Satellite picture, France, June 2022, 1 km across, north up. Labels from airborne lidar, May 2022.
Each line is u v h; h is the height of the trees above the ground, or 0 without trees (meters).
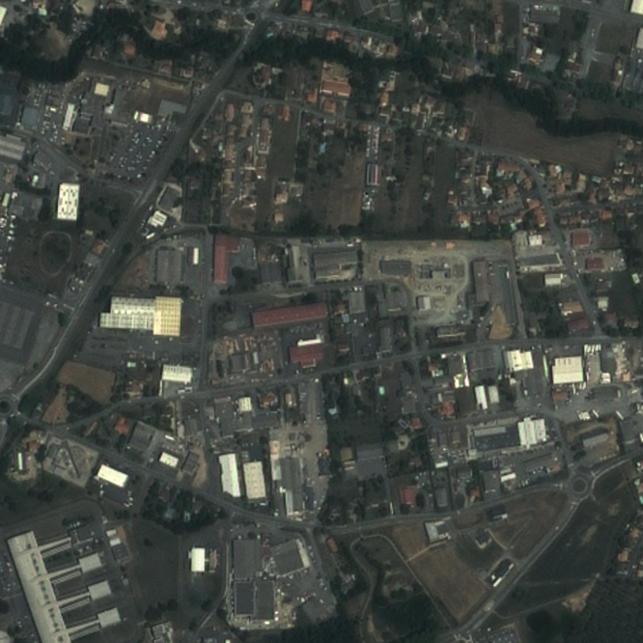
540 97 18
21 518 0
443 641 0
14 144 0
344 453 0
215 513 7
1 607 12
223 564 0
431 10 8
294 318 0
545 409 0
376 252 0
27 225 0
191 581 0
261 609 0
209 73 6
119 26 23
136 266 0
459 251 0
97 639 0
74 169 0
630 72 0
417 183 0
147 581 0
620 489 0
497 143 0
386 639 13
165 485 0
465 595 0
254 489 0
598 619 17
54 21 12
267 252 0
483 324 0
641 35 0
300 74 0
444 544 0
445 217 0
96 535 0
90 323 0
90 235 0
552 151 0
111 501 0
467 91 10
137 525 0
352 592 13
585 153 0
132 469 0
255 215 0
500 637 0
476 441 0
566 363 0
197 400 0
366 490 7
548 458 0
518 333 0
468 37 0
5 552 0
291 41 9
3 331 0
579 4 0
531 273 0
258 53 14
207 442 0
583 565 0
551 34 11
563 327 7
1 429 0
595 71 0
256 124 0
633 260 10
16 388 0
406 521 0
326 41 7
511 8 0
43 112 0
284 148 0
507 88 16
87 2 0
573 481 0
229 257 0
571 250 0
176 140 0
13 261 0
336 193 0
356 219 0
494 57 22
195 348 0
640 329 13
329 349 0
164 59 10
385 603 13
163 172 0
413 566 0
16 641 9
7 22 0
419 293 0
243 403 0
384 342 0
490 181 6
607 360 0
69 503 0
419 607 6
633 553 0
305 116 10
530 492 0
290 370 0
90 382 0
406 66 15
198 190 7
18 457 0
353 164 0
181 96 0
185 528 14
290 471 0
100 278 0
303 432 0
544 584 0
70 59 16
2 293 0
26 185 8
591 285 0
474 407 0
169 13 0
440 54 25
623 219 6
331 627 18
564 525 0
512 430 0
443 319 0
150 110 0
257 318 0
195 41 6
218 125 0
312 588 0
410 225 0
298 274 0
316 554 0
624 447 10
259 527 0
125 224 0
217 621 0
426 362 7
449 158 0
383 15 0
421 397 0
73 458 0
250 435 0
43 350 0
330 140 11
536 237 0
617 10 0
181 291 7
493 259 0
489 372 0
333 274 0
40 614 0
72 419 7
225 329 0
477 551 0
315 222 6
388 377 0
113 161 0
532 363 0
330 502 13
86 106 0
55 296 0
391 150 10
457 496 0
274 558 0
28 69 14
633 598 19
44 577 0
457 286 0
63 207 0
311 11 6
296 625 0
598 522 0
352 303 0
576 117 7
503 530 0
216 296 0
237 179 0
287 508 0
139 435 0
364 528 0
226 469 0
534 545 0
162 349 0
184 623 0
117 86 0
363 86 7
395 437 8
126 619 0
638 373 0
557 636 0
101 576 0
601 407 0
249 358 0
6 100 0
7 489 0
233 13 0
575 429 0
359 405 10
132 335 0
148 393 8
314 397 0
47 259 0
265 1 0
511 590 0
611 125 13
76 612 0
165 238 8
